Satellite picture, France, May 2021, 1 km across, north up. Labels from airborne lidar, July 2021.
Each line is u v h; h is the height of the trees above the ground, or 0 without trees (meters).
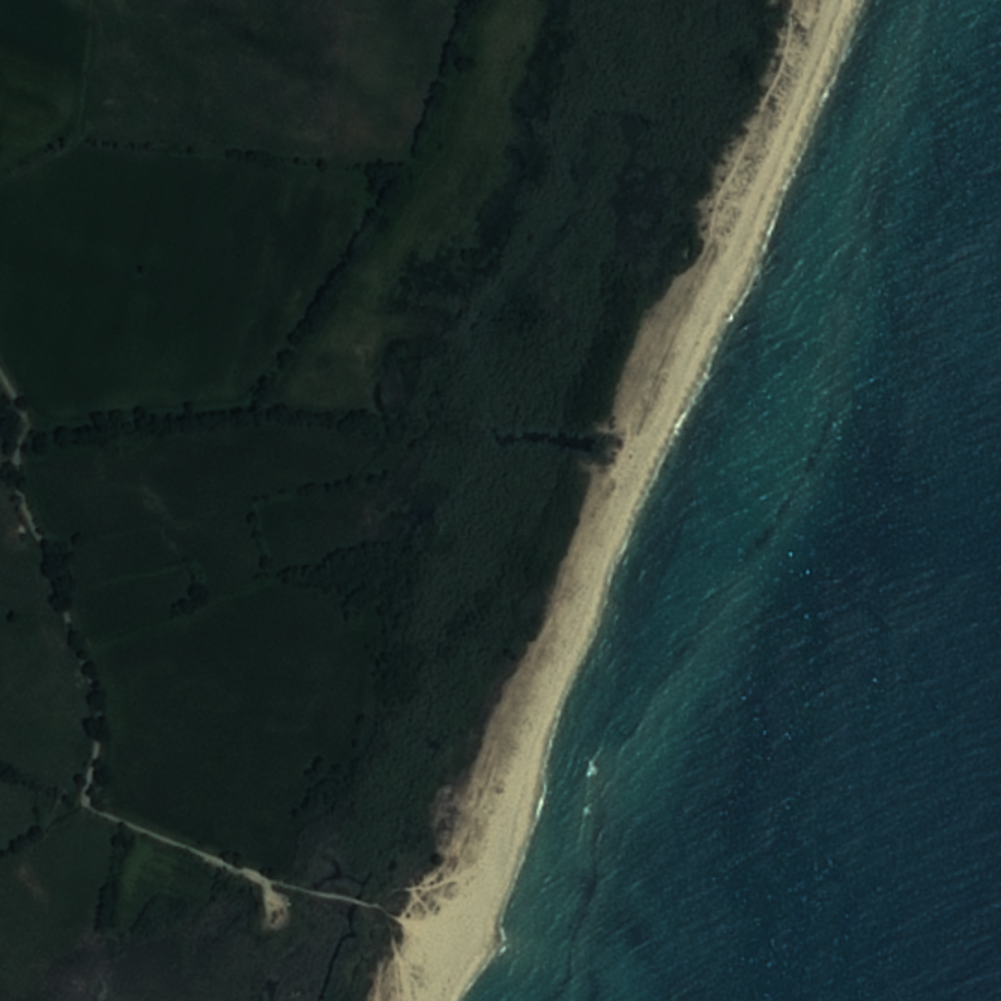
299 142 0
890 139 0
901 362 0
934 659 0
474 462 8
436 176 0
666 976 0
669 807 0
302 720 0
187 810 0
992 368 0
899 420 0
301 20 0
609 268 8
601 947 0
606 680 0
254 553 0
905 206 0
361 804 6
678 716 0
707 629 0
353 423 15
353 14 0
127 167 0
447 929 0
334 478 0
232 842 0
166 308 0
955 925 0
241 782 0
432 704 8
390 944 0
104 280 0
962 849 0
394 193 18
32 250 0
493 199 0
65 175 0
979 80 0
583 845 0
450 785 0
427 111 7
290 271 0
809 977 0
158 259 0
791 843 0
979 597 0
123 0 0
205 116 0
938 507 0
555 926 0
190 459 0
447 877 0
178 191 0
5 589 0
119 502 0
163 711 0
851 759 0
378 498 0
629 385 0
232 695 0
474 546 6
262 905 6
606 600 0
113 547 0
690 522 0
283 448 0
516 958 0
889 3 0
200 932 0
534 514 6
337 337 0
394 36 0
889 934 0
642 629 0
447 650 11
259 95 0
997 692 0
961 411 0
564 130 7
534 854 0
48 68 0
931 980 0
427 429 8
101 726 15
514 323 7
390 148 0
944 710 0
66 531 0
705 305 0
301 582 12
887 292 0
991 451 0
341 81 0
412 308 0
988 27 0
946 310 0
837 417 0
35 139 0
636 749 0
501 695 0
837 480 0
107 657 0
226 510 0
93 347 0
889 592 0
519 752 0
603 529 0
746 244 0
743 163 0
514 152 0
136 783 0
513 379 7
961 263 0
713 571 0
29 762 0
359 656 0
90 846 0
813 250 0
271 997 0
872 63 0
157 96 0
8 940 0
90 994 0
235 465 0
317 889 0
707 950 0
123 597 0
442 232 0
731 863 0
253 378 0
